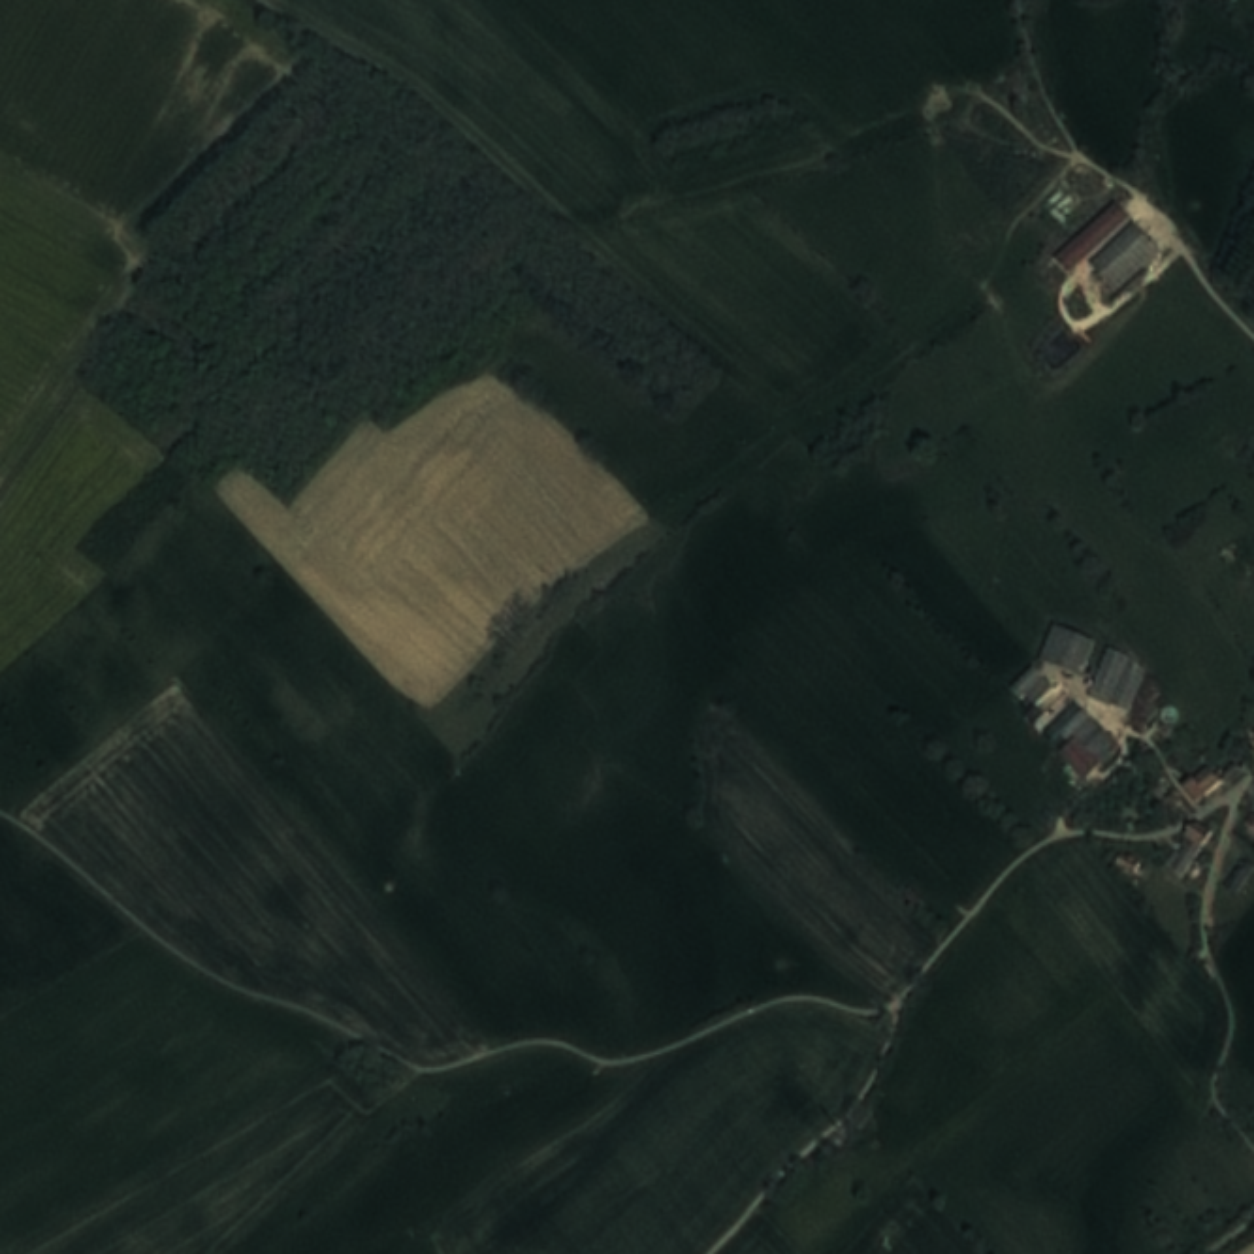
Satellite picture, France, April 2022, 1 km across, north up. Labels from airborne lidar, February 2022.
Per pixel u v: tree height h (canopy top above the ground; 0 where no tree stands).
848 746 0
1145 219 0
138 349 20
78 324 0
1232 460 0
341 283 21
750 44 0
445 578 0
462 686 0
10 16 0
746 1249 0
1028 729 0
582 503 0
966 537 0
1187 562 0
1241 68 13
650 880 0
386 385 20
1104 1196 0
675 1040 0
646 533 0
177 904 0
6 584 0
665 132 9
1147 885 0
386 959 0
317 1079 0
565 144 0
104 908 0
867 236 0
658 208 0
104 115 0
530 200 19
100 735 0
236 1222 0
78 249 0
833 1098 0
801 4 0
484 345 18
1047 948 0
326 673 0
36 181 0
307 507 0
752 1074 0
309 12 0
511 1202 0
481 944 0
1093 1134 0
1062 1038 0
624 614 0
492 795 0
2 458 0
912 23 0
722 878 0
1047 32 0
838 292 0
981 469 0
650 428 0
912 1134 0
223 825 0
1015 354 0
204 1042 0
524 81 0
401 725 0
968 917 0
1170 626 0
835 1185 0
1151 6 0
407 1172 0
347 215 21
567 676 0
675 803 0
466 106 0
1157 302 0
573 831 0
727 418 0
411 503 0
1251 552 0
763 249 0
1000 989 0
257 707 0
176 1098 0
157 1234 0
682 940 0
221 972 0
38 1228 0
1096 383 0
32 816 0
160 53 0
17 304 0
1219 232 0
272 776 0
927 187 0
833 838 0
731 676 0
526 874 0
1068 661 0
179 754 0
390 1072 16
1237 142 0
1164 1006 0
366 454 0
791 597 0
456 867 0
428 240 22
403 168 19
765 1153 0
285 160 20
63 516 0
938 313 0
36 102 0
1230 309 0
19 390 0
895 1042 8
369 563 0
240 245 23
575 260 19
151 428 17
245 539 0
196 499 0
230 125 0
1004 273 0
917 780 0
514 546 0
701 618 0
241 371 16
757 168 0
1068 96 0
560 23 0
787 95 0
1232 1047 0
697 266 0
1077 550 12
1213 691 0
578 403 0
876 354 0
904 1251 0
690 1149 0
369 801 0
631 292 16
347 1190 0
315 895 0
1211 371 0
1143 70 0
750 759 0
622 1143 0
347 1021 0
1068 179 0
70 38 0
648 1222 0
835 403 0
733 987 0
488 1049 0
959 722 0
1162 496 0
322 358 21
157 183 0
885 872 0
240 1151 0
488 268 21
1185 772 0
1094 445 0
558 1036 0
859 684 0
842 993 0
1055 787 0
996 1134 0
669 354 24
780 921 0
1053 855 0
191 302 21
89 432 0
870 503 0
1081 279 0
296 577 0
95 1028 0
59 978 0
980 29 0
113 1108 0
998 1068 0
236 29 0
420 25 0
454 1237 0
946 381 0
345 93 22
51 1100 0
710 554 0
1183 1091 0
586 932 0
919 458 17
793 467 0
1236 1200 0
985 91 0
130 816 0
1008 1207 0
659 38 0
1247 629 0
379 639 0
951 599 0
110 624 0
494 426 0
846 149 0
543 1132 0
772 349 0
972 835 0
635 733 0
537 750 0
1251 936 0
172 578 0
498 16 0
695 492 0
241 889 0
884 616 0
